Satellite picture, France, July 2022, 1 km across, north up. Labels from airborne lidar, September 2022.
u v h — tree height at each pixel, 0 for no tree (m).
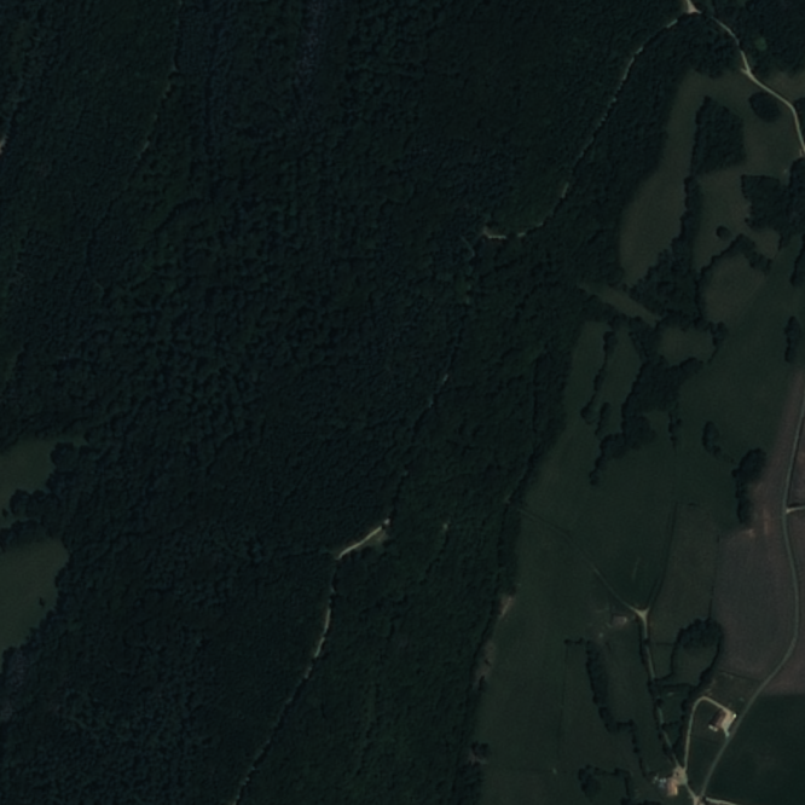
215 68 31
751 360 0
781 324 0
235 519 24
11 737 27
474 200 18
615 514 0
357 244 23
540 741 0
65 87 18
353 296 8
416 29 24
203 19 25
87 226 23
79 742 25
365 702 17
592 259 16
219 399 22
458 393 21
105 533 16
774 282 0
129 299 9
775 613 0
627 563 0
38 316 24
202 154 26
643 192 0
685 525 0
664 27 11
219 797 17
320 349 28
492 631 10
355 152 23
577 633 0
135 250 23
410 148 18
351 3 26
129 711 26
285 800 20
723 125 17
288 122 29
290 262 28
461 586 13
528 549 0
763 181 14
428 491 16
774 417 0
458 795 15
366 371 25
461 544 15
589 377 0
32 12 15
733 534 0
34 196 17
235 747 22
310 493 21
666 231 0
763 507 0
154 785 36
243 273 28
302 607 20
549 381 15
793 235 12
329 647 14
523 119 20
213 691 21
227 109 31
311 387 23
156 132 14
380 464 21
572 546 0
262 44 8
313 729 21
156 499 33
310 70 29
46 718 19
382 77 23
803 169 18
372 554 25
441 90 19
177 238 22
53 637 23
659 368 14
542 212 17
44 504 29
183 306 21
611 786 0
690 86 0
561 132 13
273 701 22
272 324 26
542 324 18
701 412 0
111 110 15
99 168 20
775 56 16
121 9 20
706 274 15
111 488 18
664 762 0
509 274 18
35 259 19
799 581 0
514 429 22
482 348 18
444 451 20
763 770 0
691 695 12
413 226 26
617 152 18
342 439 22
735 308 0
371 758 20
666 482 0
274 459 23
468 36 21
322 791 18
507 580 9
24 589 0
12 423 15
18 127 21
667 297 25
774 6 23
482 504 25
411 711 24
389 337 25
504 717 0
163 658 28
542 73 18
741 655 0
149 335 6
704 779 0
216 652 21
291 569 21
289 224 15
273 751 19
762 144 0
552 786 0
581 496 0
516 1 23
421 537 18
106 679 22
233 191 27
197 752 23
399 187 25
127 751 30
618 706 0
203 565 29
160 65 19
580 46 9
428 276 18
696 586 0
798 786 0
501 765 0
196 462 27
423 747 20
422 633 13
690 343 0
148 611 24
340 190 24
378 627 20
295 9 25
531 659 0
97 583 29
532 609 0
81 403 31
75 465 22
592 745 0
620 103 14
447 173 26
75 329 31
